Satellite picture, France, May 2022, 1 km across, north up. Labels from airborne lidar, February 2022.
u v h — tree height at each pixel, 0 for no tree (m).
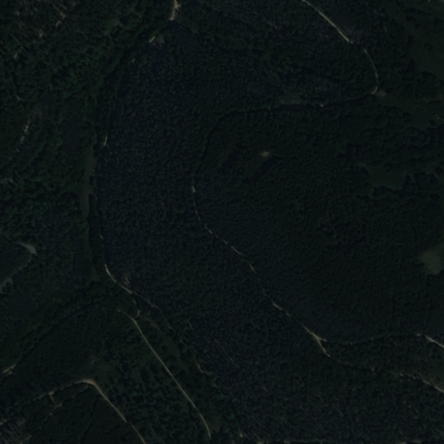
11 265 23
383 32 24
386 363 28
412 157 18
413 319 16
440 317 15
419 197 19
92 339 11
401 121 20
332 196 22
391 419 31
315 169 23
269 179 18
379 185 0
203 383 25
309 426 31
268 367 27
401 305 18
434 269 0
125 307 18
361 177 27
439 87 19
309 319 21
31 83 34
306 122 30
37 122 15
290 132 26
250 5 21
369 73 29
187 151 28
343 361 27
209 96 25
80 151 19
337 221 17
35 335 20
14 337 22
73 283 23
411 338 23
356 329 16
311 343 27
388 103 0
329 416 32
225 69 24
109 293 13
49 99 21
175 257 30
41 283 27
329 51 33
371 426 33
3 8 26
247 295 28
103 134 19
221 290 24
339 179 23
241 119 24
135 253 32
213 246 31
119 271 24
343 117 25
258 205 24
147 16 19
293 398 26
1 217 33
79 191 0
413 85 22
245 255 20
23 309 25
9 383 11
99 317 12
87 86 22
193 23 8
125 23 34
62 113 24
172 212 30
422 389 32
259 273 25
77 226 19
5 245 23
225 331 27
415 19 19
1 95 29
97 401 8
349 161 24
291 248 17
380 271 16
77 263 27
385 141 19
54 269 22
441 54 0
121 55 14
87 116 23
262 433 32
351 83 9
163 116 30
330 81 29
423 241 20
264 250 20
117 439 13
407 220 22
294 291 20
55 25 0
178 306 27
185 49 29
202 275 22
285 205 15
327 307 17
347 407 26
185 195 30
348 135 26
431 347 13
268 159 0
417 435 32
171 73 24
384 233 21
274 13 25
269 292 18
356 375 28
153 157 30
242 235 30
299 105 0
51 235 36
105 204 28
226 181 18
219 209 29
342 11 25
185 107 29
